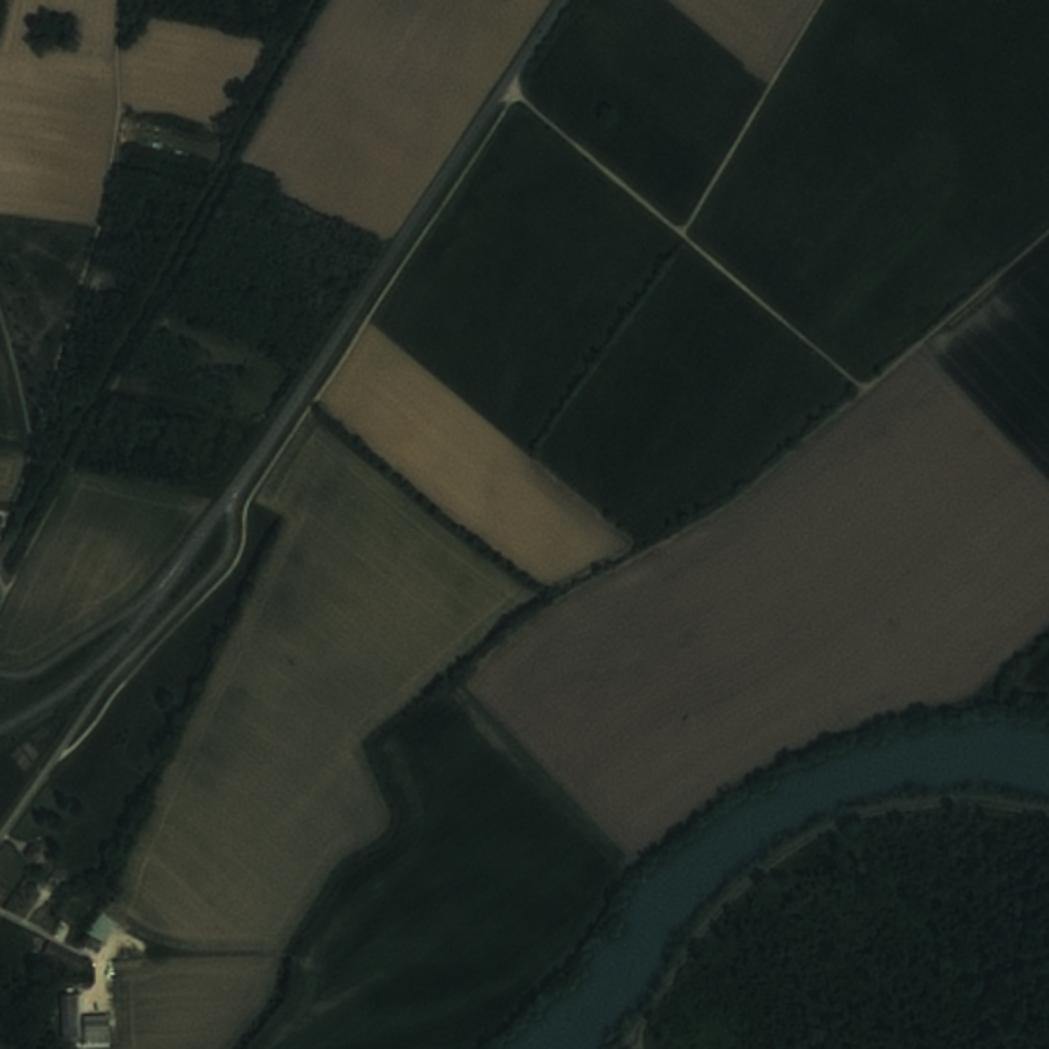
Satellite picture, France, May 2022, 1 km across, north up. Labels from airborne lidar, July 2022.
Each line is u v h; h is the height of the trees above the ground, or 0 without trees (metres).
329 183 0
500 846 0
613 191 0
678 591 0
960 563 0
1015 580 0
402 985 0
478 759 0
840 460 0
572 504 0
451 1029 0
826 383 0
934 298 0
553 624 0
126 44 14
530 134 0
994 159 0
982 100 0
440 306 0
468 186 0
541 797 0
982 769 0
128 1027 0
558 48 0
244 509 0
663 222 0
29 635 0
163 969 0
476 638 0
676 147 0
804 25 0
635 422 0
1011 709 19
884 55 0
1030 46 0
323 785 0
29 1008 24
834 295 0
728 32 0
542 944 0
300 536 0
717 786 0
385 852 0
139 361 21
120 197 18
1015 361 0
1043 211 0
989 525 0
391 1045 0
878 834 15
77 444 21
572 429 0
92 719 0
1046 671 0
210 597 0
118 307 17
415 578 0
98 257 0
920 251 0
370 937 0
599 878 0
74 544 0
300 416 0
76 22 19
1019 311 0
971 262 0
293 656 0
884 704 0
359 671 0
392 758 0
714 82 0
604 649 0
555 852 0
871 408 0
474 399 0
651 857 16
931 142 0
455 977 0
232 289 19
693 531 0
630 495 0
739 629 0
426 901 0
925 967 7
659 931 0
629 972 0
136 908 0
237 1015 0
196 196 7
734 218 0
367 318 0
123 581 0
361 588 0
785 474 0
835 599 0
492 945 0
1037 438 0
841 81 0
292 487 0
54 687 0
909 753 0
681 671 0
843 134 0
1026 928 22
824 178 0
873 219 0
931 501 0
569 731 0
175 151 7
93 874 13
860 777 0
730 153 0
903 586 0
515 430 0
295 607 0
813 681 0
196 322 16
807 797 0
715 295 0
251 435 0
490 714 0
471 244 0
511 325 0
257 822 0
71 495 0
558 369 0
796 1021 7
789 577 0
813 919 8
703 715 0
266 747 0
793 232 0
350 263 18
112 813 0
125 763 0
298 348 16
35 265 0
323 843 0
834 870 28
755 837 0
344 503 0
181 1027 0
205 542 0
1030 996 23
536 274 0
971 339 0
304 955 0
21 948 0
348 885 0
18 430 0
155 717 0
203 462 0
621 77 0
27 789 0
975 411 0
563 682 0
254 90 15
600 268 0
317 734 0
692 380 0
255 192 21
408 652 0
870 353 0
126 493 0
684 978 7
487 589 0
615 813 0
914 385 0
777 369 0
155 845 0
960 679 0
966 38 0
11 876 0
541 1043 0
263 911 0
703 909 8
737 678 0
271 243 23
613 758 0
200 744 0
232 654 0
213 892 0
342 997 0
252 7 29
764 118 0
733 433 0
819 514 0
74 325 16
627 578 0
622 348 0
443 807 0
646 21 0
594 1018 0
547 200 0
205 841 0
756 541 0
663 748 0
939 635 0
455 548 0
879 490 0
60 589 0
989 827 12
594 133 0
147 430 26
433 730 0
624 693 0
